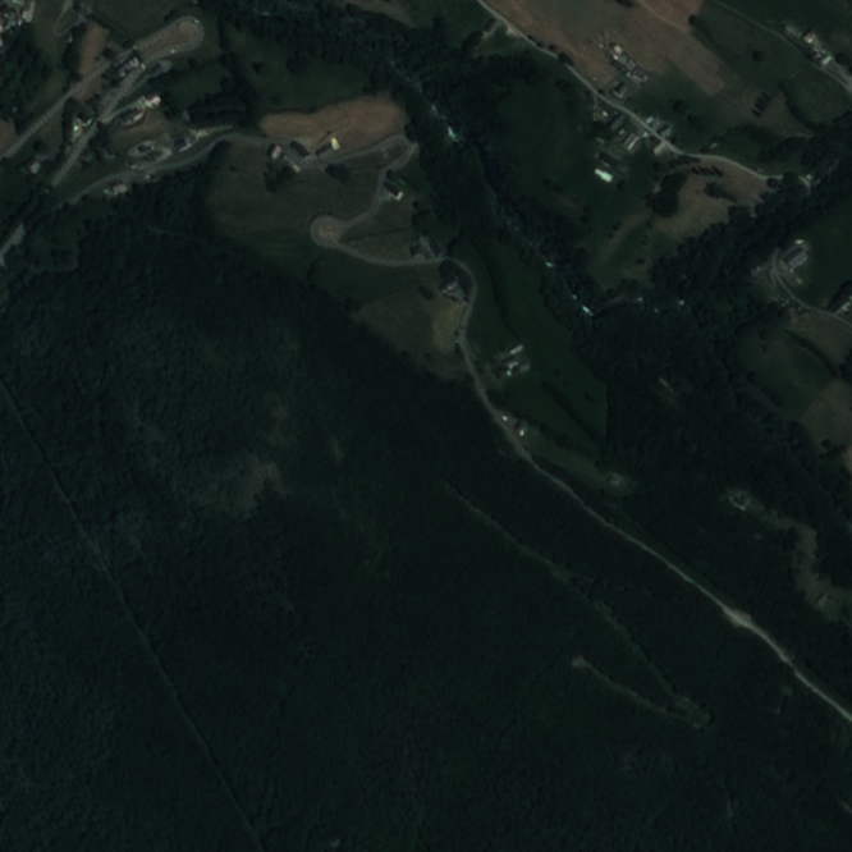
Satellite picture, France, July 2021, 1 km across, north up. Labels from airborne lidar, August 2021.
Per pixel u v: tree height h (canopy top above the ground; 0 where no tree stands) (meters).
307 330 20
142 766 22
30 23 10
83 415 16
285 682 17
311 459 19
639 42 0
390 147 0
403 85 30
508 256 0
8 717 10
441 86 19
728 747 18
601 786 23
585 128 0
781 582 11
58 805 10
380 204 0
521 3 0
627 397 15
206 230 16
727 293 7
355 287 0
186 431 12
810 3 0
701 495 20
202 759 20
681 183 24
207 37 0
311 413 15
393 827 19
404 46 15
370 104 0
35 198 9
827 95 0
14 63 15
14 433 15
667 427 23
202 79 0
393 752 18
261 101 0
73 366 15
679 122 0
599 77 0
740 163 0
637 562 20
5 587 15
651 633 19
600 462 14
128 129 0
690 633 22
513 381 0
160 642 22
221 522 13
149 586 14
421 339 0
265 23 19
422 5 0
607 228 0
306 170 0
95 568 9
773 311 16
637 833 19
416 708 22
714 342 16
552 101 0
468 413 21
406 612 24
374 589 23
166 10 0
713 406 8
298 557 20
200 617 23
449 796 23
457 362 0
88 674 13
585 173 0
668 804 18
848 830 24
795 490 23
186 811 21
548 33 0
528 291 0
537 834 27
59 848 15
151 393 8
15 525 18
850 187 11
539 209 18
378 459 15
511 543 24
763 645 24
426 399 20
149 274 23
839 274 0
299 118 0
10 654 15
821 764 18
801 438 26
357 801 9
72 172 0
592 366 11
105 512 20
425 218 19
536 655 16
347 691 21
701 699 19
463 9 0
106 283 17
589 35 0
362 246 0
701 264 17
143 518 10
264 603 11
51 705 11
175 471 11
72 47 14
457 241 14
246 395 13
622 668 24
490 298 0
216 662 22
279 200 0
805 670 6
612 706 20
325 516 16
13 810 12
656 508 19
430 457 22
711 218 0
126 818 11
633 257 0
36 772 18
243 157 0
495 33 0
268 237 0
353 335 18
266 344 12
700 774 26
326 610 19
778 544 10
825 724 23
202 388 15
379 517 12
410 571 24
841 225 0
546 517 20
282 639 13
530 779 20
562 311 21
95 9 0
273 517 10
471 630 19
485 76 23
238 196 0
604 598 18
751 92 0
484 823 18
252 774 15
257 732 21
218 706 23
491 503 19
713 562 19
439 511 24
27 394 16
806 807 25
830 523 26
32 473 21
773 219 14
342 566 20
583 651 17
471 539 20
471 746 20
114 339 6
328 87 0
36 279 16
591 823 24
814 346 8
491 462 24
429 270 0
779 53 0
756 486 12
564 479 15
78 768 9
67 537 11
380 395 21
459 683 18
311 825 11
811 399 0
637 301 13
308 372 12
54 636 18
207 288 27
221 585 13
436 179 9
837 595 0
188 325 8
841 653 15
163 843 16
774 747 23
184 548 14
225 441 20
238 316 20
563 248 19
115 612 18
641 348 15
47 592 17
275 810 10
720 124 0
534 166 0
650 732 22
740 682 21
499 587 12
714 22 0
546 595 18
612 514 18
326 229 0
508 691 19
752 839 22
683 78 0
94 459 13
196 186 20
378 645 20
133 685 22
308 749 18
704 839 18
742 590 19
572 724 19
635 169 0
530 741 26
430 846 25
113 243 25
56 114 0
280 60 0
